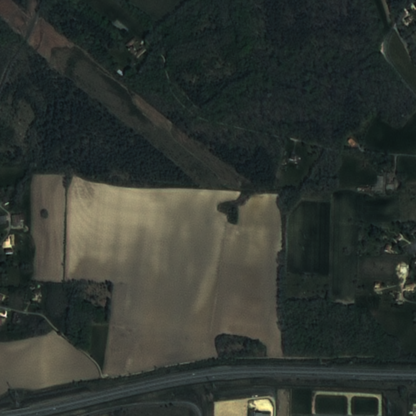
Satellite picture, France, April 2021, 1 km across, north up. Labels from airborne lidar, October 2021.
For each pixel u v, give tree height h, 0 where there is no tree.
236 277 0
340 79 24
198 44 14
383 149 0
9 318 6
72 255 0
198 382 0
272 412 0
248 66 16
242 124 18
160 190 0
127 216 0
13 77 15
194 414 0
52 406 0
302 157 0
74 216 0
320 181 15
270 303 0
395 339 12
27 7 9
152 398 0
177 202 0
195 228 0
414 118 0
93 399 0
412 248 0
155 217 0
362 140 8
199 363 7
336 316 17
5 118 15
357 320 16
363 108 27
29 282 8
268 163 23
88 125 21
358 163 0
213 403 0
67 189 9
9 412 0
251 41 28
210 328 0
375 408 0
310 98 26
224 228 0
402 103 20
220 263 0
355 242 0
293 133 20
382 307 0
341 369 0
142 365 0
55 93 12
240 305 0
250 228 0
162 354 0
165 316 0
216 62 8
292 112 23
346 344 18
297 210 0
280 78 25
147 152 9
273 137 23
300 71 22
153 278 0
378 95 23
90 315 24
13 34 17
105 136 6
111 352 0
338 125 23
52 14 16
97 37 25
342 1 17
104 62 24
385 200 0
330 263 0
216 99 21
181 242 0
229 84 15
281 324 14
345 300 0
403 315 0
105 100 0
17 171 0
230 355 17
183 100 20
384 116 22
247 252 0
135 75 21
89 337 19
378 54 19
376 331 17
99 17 16
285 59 18
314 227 0
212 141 17
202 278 0
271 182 18
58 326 8
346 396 0
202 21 10
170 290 0
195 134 14
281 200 17
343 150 23
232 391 0
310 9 19
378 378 0
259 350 26
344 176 0
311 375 0
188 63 8
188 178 8
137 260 0
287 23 19
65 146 19
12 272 0
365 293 10
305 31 23
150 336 0
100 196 0
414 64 16
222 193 0
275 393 0
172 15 13
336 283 0
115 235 0
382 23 18
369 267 0
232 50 11
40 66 17
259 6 24
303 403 0
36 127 15
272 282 0
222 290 0
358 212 0
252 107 24
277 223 0
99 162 7
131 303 0
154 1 0
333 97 15
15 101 11
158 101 20
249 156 25
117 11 0
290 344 21
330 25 27
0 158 25
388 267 0
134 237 0
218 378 0
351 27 27
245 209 0
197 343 0
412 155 0
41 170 9
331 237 0
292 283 0
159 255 0
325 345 13
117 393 0
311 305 24
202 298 0
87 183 0
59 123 17
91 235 0
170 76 11
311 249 0
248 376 0
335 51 24
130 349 0
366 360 10
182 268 0
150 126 0
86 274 0
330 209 0
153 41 17
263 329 0
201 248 0
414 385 13
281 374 0
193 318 0
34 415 0
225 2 20
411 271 9
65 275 0
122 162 8
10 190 10
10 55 20
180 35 12
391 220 0
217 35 12
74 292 9
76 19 24
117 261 0
